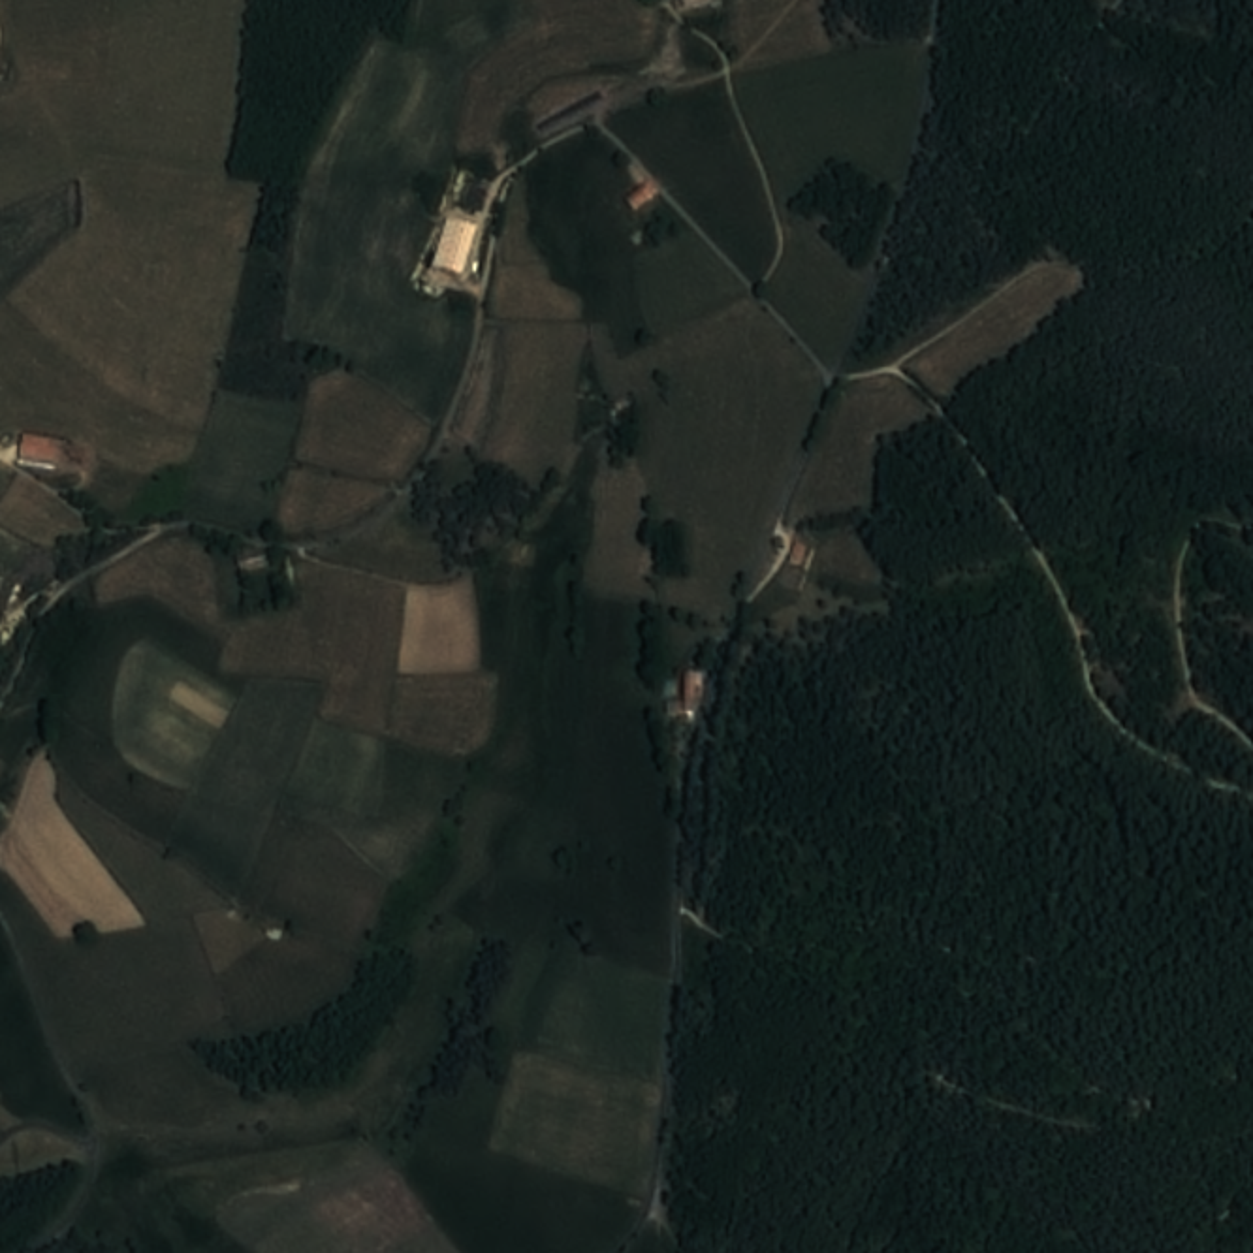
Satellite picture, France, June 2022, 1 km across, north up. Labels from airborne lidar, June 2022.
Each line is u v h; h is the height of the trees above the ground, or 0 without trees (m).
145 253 0
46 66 0
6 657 7
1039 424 21
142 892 0
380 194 0
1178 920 27
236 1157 0
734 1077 15
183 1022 0
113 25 0
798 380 0
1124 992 21
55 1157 0
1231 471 20
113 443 0
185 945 0
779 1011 15
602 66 0
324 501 0
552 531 0
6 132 0
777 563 0
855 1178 22
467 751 0
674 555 18
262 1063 22
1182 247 12
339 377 0
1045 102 13
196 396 0
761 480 0
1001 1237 13
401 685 0
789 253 0
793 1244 24
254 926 0
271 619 0
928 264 13
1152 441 19
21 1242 11
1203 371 16
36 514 0
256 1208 0
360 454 0
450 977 0
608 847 0
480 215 0
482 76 0
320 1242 0
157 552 0
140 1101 0
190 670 0
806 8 0
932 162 15
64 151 0
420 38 0
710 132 0
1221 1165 11
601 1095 0
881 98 0
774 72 0
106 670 0
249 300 0
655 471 0
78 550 0
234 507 0
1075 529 28
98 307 0
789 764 14
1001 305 0
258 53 10
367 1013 16
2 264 0
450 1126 0
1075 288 0
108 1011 0
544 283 0
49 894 0
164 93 0
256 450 0
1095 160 18
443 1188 0
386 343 0
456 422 0
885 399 0
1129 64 19
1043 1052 12
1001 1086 15
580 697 0
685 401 0
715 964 9
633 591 0
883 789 15
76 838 0
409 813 0
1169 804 30
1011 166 15
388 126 0
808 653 7
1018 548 23
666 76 0
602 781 0
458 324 0
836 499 0
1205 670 25
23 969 0
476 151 0
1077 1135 14
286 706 0
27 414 0
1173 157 15
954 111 17
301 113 12
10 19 0
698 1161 10
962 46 14
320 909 0
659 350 0
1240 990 22
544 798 0
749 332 0
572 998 0
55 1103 0
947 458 17
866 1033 15
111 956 0
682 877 11
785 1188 24
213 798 0
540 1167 0
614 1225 0
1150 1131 11
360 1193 0
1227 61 13
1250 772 33
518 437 0
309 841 0
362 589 0
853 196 17
